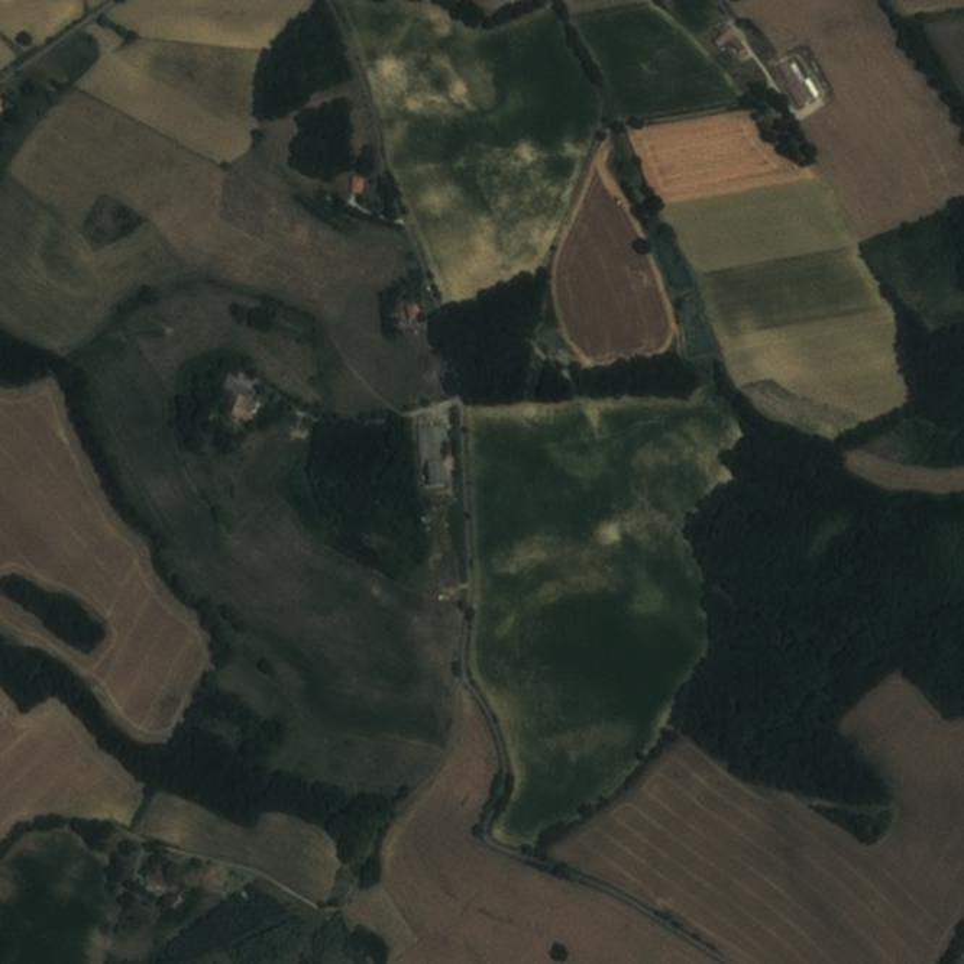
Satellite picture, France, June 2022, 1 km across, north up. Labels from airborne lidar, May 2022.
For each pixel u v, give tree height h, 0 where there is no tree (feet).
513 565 0
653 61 0
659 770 0
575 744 0
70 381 58
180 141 0
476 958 0
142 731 0
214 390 33
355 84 0
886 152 0
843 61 0
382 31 0
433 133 0
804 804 0
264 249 0
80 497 0
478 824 29
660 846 0
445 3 46
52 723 0
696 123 0
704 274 0
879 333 0
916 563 66
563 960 37
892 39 0
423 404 30
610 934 0
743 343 0
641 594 0
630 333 0
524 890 0
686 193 0
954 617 56
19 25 0
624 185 48
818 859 0
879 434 42
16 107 31
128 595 0
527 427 0
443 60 0
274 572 0
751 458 58
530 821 0
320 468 34
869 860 0
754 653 57
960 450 51
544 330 0
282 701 0
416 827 0
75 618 40
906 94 0
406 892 0
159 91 0
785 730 59
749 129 0
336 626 0
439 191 0
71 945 0
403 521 40
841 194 0
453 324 48
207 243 0
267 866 0
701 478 0
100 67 0
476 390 41
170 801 0
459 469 32
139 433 0
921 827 0
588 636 0
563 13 51
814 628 70
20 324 0
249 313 34
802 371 0
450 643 0
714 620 51
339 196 24
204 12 0
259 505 0
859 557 75
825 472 88
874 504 34
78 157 0
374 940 43
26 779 0
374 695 0
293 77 51
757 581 51
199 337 0
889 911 0
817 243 0
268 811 28
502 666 0
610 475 0
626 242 0
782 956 0
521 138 0
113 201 0
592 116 0
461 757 0
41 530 0
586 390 58
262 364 0
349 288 0
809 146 52
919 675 50
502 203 0
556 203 0
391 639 0
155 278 0
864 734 0
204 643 0
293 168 43
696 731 74
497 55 0
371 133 0
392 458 47
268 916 44
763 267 0
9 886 0
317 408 19
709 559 48
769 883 0
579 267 0
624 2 0
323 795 76
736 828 0
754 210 0
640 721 0
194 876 0
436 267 0
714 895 0
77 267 0
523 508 0
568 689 0
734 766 49
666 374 42
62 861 0
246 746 54
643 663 0
